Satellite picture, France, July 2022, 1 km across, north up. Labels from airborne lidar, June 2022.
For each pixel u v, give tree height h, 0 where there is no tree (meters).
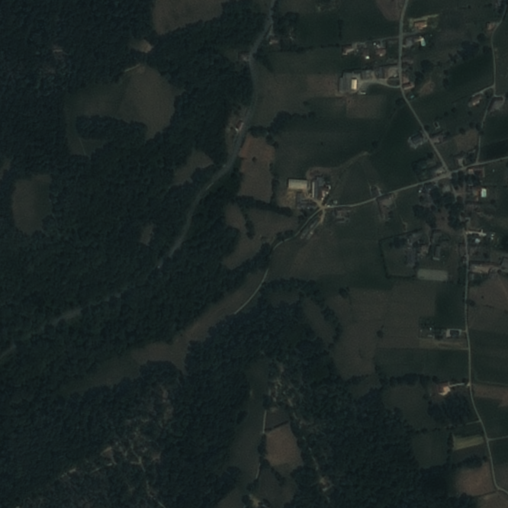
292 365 26
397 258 0
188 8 0
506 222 0
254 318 20
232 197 8
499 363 0
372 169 0
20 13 19
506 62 0
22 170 22
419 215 20
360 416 9
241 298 0
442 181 0
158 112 0
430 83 0
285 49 6
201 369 15
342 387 26
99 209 18
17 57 23
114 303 25
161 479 30
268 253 16
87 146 0
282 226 0
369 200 0
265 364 0
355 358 0
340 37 7
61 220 25
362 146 0
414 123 0
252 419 0
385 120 0
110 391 22
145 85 0
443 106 0
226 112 34
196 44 19
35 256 31
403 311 0
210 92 35
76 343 15
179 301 15
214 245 20
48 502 9
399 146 0
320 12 0
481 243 6
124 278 25
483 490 0
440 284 0
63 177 23
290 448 0
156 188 19
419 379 15
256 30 22
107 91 0
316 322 0
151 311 36
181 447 19
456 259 0
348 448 28
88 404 24
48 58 27
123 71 13
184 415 17
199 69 30
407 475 22
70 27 21
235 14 9
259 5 0
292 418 13
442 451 0
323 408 8
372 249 0
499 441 0
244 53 0
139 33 27
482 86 0
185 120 29
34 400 18
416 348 0
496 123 0
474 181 17
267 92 0
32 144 19
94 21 24
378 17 0
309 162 0
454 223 17
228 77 21
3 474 12
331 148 0
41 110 24
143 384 20
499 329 0
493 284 0
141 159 16
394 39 0
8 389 16
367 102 0
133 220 26
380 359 0
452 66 0
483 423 0
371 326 0
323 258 0
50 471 30
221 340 20
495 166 0
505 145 0
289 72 0
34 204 0
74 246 22
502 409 0
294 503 14
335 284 0
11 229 20
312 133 0
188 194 27
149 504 27
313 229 0
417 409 0
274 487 0
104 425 20
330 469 24
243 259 0
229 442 17
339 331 13
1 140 23
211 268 25
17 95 18
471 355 0
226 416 22
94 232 20
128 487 8
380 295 0
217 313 0
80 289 24
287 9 0
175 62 31
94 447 22
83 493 24
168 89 0
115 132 24
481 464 13
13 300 23
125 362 0
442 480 21
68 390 0
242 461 0
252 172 0
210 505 26
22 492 28
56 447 28
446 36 0
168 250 20
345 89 0
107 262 26
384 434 24
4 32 28
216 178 0
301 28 0
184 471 33
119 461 23
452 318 0
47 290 21
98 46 28
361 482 20
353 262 0
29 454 34
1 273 21
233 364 31
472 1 0
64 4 22
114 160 15
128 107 0
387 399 0
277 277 0
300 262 0
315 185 0
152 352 0
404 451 19
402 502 26
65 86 19
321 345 26
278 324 29
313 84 0
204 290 20
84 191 15
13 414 27
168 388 25
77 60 28
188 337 0
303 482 25
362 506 27
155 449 24
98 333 29
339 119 0
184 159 24
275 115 0
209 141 27
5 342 19
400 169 0
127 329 15
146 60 19
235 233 20
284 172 0
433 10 0
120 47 30
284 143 0
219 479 21
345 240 0
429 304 0
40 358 26
